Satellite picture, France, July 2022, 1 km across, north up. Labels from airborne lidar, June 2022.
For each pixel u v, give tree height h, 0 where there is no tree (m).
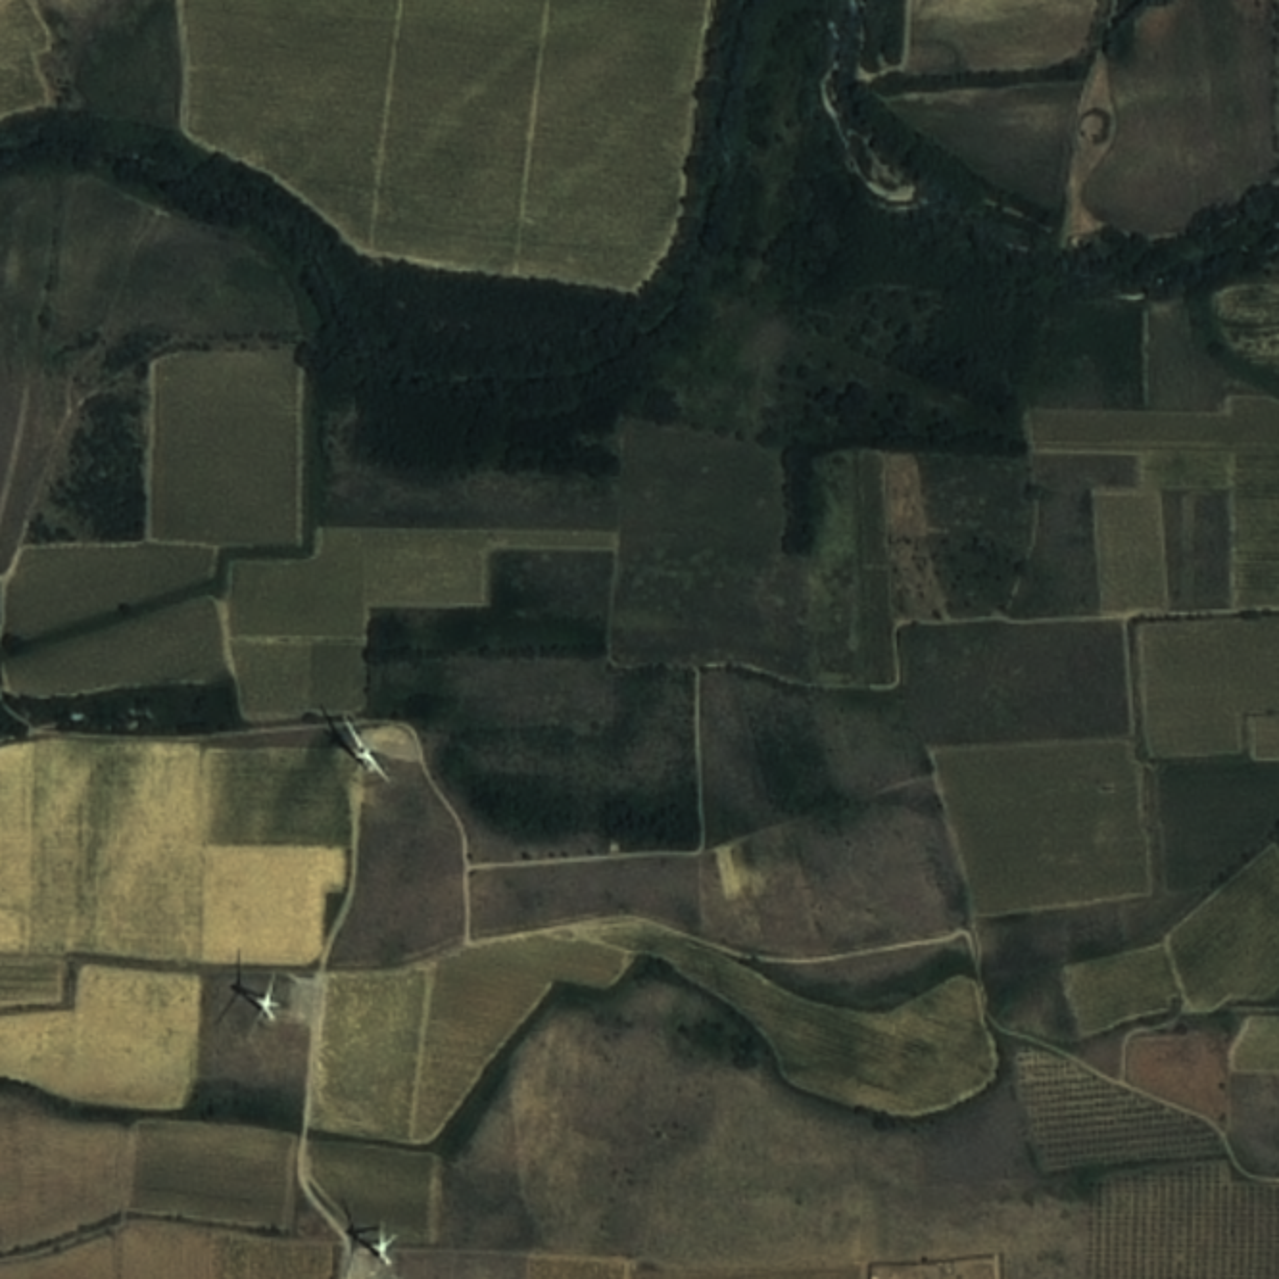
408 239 0
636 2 0
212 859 0
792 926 0
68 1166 0
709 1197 0
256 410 0
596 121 0
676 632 0
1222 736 0
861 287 11
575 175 0
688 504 0
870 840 0
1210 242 15
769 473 0
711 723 0
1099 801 0
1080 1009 0
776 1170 0
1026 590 0
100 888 0
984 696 0
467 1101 0
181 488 0
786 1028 0
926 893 0
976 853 0
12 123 6
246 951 0
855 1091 0
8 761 0
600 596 0
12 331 0
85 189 0
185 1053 0
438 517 0
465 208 0
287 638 0
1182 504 0
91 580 0
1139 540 0
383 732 0
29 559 0
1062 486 0
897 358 10
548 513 0
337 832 0
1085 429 0
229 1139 0
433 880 0
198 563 0
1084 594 0
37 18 0
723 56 17
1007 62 0
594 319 13
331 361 15
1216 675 0
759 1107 0
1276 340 0
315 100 0
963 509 0
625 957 0
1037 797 0
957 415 0
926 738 0
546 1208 0
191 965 0
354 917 0
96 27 0
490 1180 0
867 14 15
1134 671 0
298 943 0
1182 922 0
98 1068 0
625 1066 0
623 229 0
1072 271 9
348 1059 0
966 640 0
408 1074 0
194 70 0
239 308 0
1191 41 0
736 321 0
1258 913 0
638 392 10
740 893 0
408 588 0
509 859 0
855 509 0
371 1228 0
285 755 0
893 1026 0
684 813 13
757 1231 0
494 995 0
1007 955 0
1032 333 6
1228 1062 0
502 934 0
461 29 0
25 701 11
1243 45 0
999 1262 0
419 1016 0
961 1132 0
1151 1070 0
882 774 0
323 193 0
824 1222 0
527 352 17
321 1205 0
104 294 0
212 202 13
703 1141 0
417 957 0
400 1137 0
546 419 9
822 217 11
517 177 0
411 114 0
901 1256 0
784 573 0
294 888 0
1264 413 0
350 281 8
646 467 0
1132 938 0
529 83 0
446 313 9
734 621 0
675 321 10
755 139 7
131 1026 0
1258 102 0
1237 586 0
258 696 0
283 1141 0
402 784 0
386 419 11
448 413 23
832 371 8
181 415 0
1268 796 0
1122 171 0
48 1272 0
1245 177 0
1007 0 0
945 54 0
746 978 0
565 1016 0
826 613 0
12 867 0
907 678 0
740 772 0
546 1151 0
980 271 15
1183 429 0
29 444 0
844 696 0
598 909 0
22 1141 0
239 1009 0
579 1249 0
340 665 0
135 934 0
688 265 13
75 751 0
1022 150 0
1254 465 0
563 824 7
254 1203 0
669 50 0
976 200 25
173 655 0
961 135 0
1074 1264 0
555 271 0
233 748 0
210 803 0
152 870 0
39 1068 0
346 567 0
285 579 0
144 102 0
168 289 0
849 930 0
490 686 0
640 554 0
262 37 0
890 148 20
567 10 0
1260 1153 0
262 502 0
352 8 0
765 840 0
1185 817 0
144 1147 0
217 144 0
